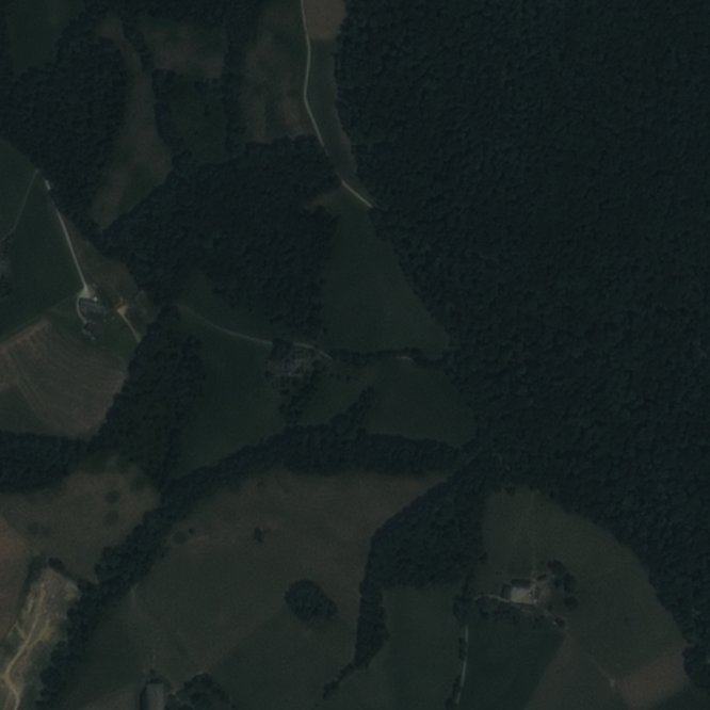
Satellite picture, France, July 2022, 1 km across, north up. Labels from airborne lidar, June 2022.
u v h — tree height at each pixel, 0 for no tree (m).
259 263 32
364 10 27
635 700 0
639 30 25
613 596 0
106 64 30
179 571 0
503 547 0
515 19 29
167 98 22
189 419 9
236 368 0
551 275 19
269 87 0
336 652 0
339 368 0
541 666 0
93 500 0
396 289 0
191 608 0
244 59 11
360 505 0
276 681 0
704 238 27
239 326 0
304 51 0
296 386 12
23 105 7
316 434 24
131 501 0
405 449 26
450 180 36
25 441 20
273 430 0
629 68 34
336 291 0
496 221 26
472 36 31
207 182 38
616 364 28
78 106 16
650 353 31
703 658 27
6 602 0
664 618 0
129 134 0
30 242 0
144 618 0
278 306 31
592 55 28
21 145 18
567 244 13
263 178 19
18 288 0
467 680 0
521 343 32
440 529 29
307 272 27
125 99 13
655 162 25
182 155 27
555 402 31
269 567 0
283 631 0
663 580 27
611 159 35
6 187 0
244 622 0
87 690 0
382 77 31
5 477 32
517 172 25
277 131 0
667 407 32
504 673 0
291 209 24
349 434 28
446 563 23
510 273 30
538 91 29
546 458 35
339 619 0
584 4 23
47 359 0
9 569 0
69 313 0
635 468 26
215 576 0
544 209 23
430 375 0
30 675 0
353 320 0
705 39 30
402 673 0
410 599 0
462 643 11
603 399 29
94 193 17
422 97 28
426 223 31
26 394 0
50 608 0
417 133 29
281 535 0
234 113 20
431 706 0
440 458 31
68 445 26
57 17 0
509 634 0
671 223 28
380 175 26
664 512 13
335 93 0
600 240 23
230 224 33
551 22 29
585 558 0
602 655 0
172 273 30
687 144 23
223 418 0
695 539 24
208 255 35
